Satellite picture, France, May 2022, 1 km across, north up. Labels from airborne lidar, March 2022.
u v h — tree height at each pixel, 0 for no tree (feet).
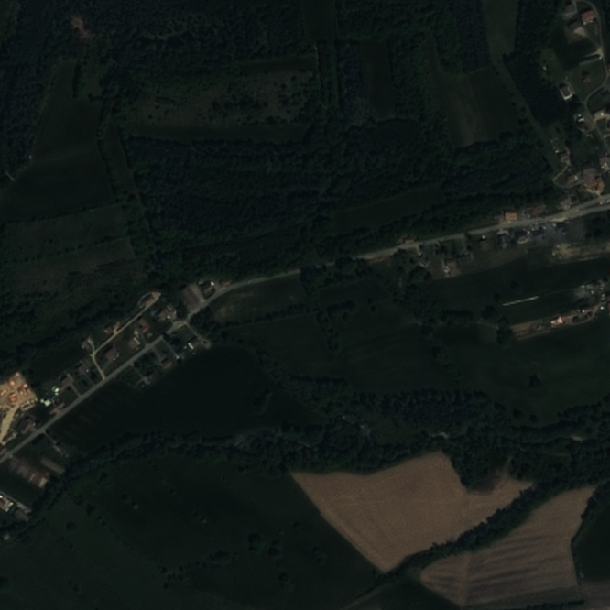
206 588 0
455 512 0
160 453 73
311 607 0
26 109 83
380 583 26
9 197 0
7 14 0
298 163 47
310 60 0
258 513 0
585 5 0
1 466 0
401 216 0
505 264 0
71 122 0
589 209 0
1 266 22
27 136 59
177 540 0
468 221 62
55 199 0
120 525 0
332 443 60
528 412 0
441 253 31
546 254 0
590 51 0
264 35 29
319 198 48
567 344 0
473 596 0
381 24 36
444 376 0
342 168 92
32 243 0
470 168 62
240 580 0
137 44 70
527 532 0
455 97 0
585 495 0
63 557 0
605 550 0
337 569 0
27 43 56
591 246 0
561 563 0
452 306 0
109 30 86
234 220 45
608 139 0
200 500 0
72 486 76
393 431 0
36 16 61
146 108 0
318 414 0
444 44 62
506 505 0
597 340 0
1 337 89
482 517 0
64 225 0
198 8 66
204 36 88
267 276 59
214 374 0
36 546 0
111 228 0
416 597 0
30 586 0
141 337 0
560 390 0
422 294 28
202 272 50
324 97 33
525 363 0
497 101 0
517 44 21
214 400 0
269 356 52
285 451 44
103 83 32
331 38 0
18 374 0
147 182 62
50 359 0
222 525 0
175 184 94
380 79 0
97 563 0
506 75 0
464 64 60
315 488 0
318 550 31
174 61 80
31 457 0
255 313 0
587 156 0
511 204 57
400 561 0
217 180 53
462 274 0
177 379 0
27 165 69
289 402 0
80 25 0
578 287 0
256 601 0
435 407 83
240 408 0
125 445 56
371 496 0
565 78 0
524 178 80
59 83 0
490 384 0
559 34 0
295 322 0
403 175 52
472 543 56
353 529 0
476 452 67
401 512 0
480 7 75
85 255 0
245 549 0
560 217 0
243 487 0
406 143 52
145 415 0
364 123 50
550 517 0
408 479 0
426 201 0
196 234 72
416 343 0
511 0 0
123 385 0
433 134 69
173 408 0
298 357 0
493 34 0
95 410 0
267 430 0
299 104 24
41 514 71
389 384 0
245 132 0
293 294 0
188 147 49
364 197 52
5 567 0
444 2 75
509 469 0
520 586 0
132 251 0
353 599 0
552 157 0
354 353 0
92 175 0
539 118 57
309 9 0
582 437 0
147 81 31
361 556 0
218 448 46
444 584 0
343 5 54
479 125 0
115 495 0
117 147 0
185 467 0
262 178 79
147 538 0
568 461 0
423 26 32
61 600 0
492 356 0
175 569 0
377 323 0
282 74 0
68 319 0
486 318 64
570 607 20
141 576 0
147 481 0
